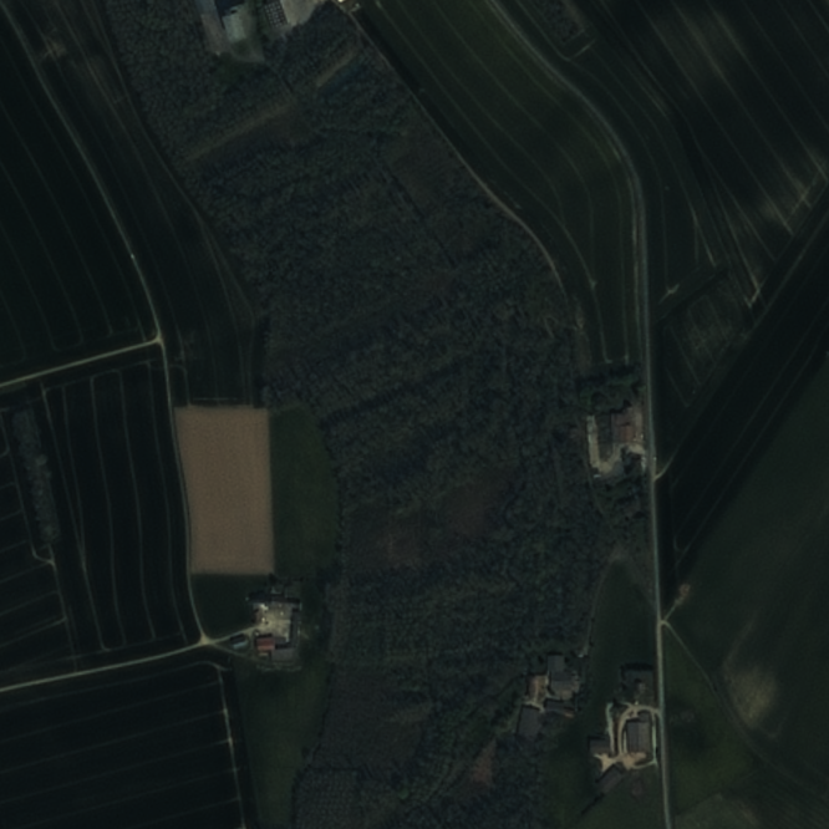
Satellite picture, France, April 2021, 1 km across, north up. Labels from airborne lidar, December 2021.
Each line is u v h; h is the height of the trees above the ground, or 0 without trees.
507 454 35
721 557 0
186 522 0
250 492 0
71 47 0
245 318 0
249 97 24
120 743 0
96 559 0
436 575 10
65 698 0
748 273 0
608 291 0
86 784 0
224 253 0
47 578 0
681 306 0
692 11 0
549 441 34
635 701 0
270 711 0
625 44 0
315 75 34
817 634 0
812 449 0
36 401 0
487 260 28
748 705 0
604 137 0
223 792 0
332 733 9
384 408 37
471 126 0
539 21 0
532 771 24
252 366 0
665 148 0
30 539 0
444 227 6
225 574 0
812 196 0
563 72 0
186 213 0
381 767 6
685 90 0
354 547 6
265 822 0
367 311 15
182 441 0
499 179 0
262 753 0
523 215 0
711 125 0
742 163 0
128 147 0
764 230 0
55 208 0
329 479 0
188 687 0
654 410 0
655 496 0
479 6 0
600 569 18
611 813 0
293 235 19
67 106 0
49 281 0
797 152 0
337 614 36
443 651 6
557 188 0
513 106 0
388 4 0
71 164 0
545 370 29
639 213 0
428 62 0
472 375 21
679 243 0
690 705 0
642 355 0
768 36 0
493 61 0
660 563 0
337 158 18
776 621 0
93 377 0
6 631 0
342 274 16
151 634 0
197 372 0
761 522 0
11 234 0
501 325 38
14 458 0
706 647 0
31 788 0
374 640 16
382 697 8
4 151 0
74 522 0
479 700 22
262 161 25
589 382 9
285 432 0
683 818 0
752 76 0
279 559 0
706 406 0
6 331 0
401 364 40
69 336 0
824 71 0
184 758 0
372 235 15
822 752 0
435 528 32
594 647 8
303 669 0
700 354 0
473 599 14
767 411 0
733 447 0
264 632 0
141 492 0
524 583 19
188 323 0
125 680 0
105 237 0
